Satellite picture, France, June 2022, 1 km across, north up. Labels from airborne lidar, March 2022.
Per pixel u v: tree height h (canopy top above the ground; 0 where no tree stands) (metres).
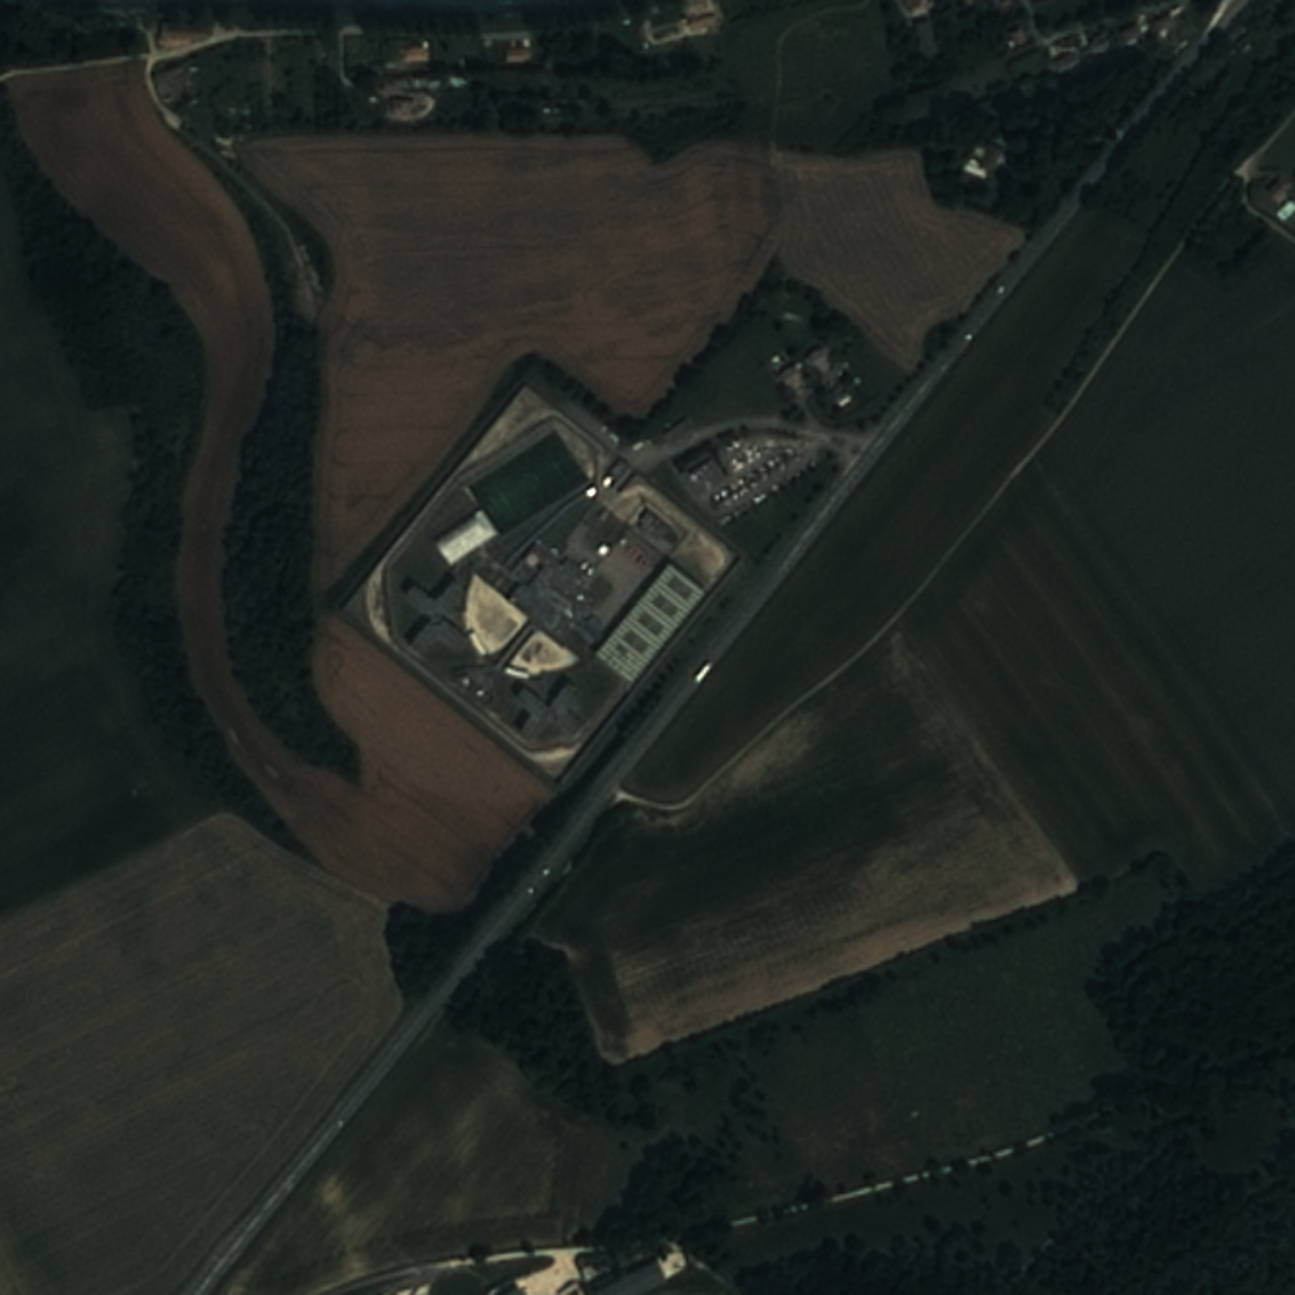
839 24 0
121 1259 0
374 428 0
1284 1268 13
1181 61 0
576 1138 0
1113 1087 19
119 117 0
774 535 0
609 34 0
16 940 0
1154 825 0
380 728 0
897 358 0
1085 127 17
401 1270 0
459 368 0
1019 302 0
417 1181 0
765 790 0
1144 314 0
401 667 0
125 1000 0
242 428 0
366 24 24
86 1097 0
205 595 0
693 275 0
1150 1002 25
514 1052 10
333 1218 0
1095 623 0
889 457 0
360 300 0
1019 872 0
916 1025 0
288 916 0
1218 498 0
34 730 0
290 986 0
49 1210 0
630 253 0
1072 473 0
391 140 0
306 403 15
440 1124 0
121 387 6
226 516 0
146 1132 0
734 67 0
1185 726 0
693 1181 15
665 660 0
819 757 0
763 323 0
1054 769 0
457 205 0
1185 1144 19
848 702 0
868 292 0
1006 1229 0
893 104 10
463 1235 0
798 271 0
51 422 0
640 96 0
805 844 0
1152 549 0
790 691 0
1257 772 0
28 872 0
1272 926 18
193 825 0
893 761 0
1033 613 0
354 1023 0
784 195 0
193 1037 0
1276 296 0
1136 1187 16
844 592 0
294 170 0
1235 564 0
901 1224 0
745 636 0
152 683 8
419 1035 0
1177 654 0
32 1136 0
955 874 0
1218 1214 17
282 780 0
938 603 0
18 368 0
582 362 0
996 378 0
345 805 0
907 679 0
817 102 0
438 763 0
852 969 0
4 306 0
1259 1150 0
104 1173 0
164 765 0
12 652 0
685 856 0
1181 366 0
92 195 0
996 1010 0
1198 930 13
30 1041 0
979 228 0
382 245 0
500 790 0
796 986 0
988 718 0
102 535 0
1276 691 0
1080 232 0
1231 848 0
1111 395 0
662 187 0
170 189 0
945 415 0
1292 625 0
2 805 0
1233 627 0
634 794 0
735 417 0
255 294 0
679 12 0
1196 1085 25
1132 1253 18
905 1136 0
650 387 0
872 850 0
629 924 0
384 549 0
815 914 0
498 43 0
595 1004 0
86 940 0
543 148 0
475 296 0
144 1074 0
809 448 0
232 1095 0
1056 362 0
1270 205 0
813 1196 17
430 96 0
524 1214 0
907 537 0
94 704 0
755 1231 0
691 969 0
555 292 0
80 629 0
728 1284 0
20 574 0
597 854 0
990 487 0
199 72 0
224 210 0
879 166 0
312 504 8
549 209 0
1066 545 0
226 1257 0
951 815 0
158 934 0
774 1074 0
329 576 0
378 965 0
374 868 0
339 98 8
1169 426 0
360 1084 0
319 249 0
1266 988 10
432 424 0
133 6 0
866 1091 0
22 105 0
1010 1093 0
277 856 0
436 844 0
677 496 0
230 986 0
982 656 0
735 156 0
